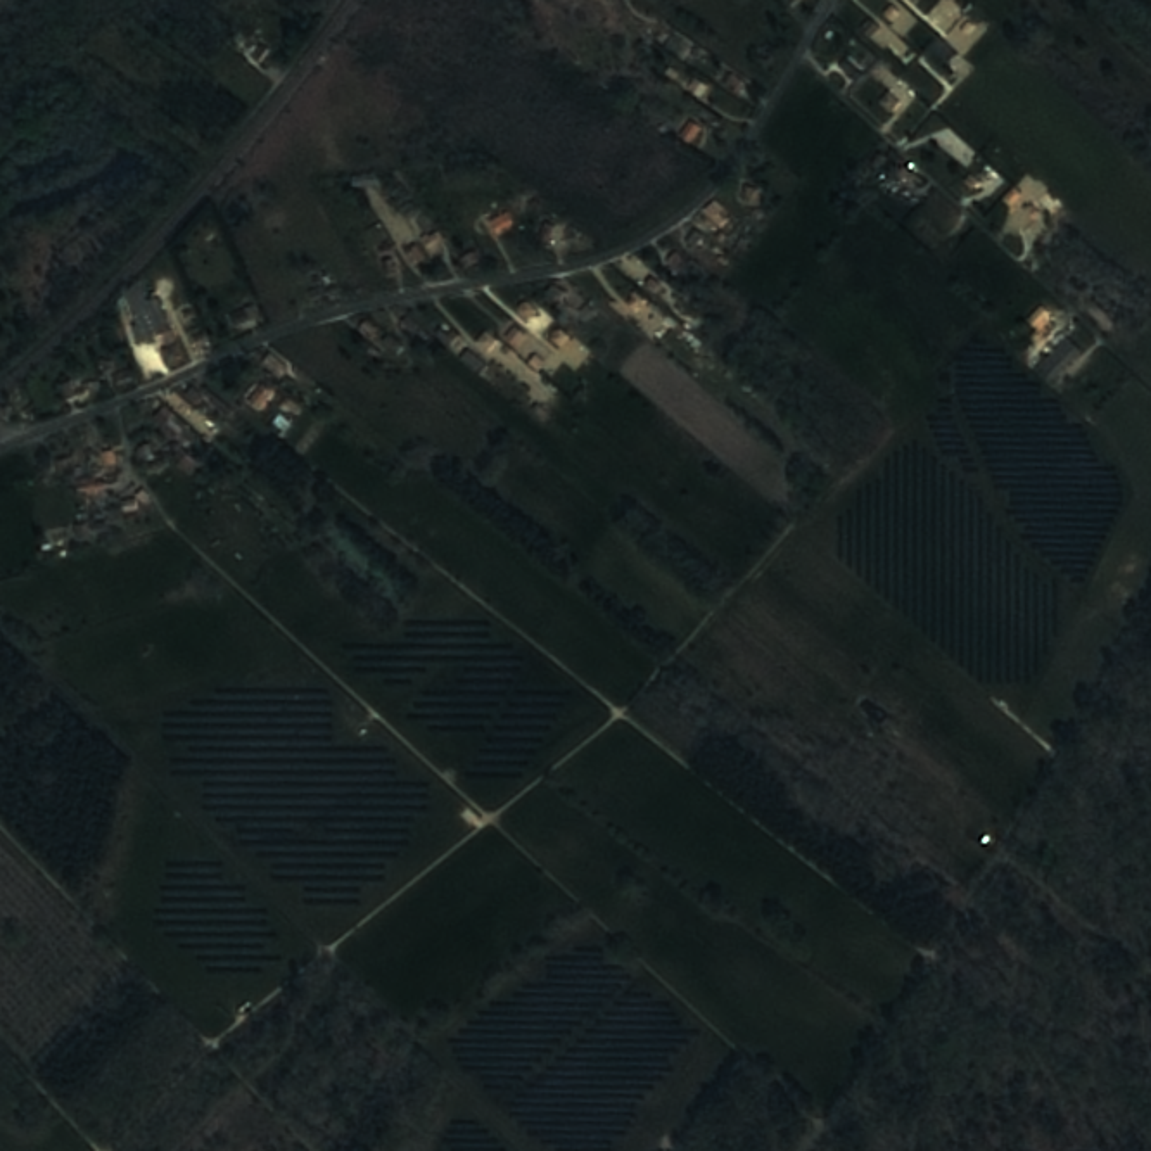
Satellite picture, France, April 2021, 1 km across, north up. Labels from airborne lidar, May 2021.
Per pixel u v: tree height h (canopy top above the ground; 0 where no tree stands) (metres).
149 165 9
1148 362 0
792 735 14
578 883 0
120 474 6
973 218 0
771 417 0
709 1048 0
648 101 8
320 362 0
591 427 0
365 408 0
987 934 17
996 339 0
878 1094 22
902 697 0
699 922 0
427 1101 18
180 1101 15
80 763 18
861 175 14
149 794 0
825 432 19
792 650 0
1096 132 0
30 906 17
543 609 0
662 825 0
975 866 0
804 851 18
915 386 0
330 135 0
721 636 0
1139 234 0
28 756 19
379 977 0
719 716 15
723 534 0
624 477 0
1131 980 20
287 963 0
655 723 14
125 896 0
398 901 0
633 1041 0
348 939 0
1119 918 11
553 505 0
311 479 19
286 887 0
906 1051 17
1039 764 0
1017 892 22
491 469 20
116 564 0
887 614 0
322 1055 19
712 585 20
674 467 0
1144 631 15
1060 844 18
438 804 0
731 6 0
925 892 15
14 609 0
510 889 0
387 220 0
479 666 0
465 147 8
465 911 0
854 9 0
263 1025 7
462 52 6
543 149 11
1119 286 13
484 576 0
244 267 8
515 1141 0
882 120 0
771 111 0
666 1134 0
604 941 0
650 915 0
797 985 0
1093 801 17
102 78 12
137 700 0
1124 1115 10
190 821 0
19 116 20
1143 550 0
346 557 6
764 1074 18
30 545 0
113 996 18
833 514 0
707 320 7
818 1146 9
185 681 0
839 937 0
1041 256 12
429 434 0
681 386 0
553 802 0
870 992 0
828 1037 0
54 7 22
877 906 17
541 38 13
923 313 0
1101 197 0
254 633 0
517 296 0
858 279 0
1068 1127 22
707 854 0
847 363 0
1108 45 0
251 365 9
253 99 0
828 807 19
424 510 0
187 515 0
